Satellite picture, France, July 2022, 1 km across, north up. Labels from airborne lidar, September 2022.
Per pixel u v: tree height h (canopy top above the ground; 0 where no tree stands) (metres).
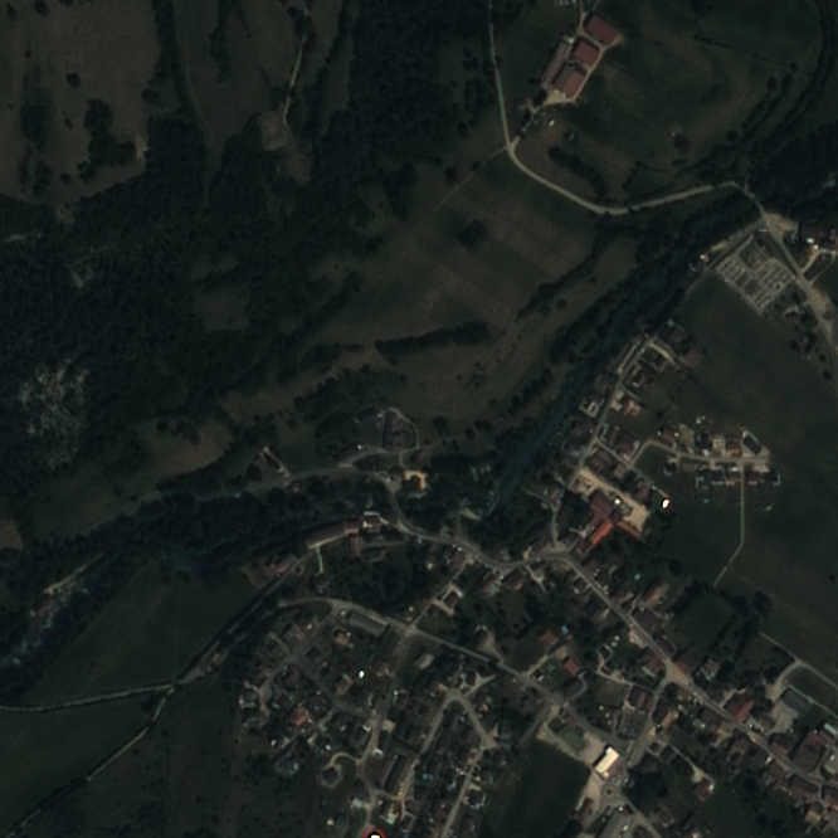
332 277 0
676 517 9
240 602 0
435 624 0
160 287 8
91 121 12
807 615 0
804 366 0
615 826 0
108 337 7
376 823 0
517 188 0
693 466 0
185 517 12
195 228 8
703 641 0
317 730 0
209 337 8
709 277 0
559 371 0
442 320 0
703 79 0
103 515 0
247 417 0
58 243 12
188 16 0
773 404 0
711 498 0
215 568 37
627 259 0
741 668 0
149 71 0
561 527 0
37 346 11
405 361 0
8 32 0
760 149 16
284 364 10
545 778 0
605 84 0
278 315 9
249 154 7
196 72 0
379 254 0
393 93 14
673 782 0
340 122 20
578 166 20
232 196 11
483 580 6
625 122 0
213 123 0
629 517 0
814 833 7
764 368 0
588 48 0
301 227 16
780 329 0
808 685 0
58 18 0
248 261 7
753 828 0
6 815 0
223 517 20
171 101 0
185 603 0
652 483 0
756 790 18
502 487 0
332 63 13
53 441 6
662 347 0
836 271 0
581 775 0
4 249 7
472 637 10
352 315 0
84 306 9
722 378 0
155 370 8
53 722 0
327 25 0
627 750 0
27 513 7
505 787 0
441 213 0
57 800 10
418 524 8
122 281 17
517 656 0
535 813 0
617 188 0
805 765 0
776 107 13
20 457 12
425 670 6
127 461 9
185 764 0
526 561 0
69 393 8
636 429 0
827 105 0
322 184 13
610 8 0
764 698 6
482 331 17
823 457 0
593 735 0
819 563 0
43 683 0
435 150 0
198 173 12
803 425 0
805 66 0
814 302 0
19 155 0
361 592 16
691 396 0
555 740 0
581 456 0
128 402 10
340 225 17
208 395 21
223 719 0
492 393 0
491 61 13
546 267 0
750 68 0
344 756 0
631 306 13
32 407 16
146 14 0
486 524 9
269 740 9
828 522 0
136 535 7
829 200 19
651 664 0
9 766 0
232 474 0
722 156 21
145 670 0
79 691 0
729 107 0
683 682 0
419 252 0
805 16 0
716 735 0
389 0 28
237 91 0
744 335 0
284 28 0
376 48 23
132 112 0
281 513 10
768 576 0
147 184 10
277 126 0
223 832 0
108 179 0
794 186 26
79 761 0
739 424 0
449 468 22
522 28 0
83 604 23
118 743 0
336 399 6
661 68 0
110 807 0
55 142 0
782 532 0
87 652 0
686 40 0
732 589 0
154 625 0
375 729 0
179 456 0
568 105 0
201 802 6
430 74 8
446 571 11
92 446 10
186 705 0
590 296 0
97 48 0
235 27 0
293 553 8
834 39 17
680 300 11
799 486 0
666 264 13
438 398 0
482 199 0
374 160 20
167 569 13
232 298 0
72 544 17
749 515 0
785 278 0
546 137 0
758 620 23
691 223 9
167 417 16
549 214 0
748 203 23
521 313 9
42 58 0
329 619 0
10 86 0
